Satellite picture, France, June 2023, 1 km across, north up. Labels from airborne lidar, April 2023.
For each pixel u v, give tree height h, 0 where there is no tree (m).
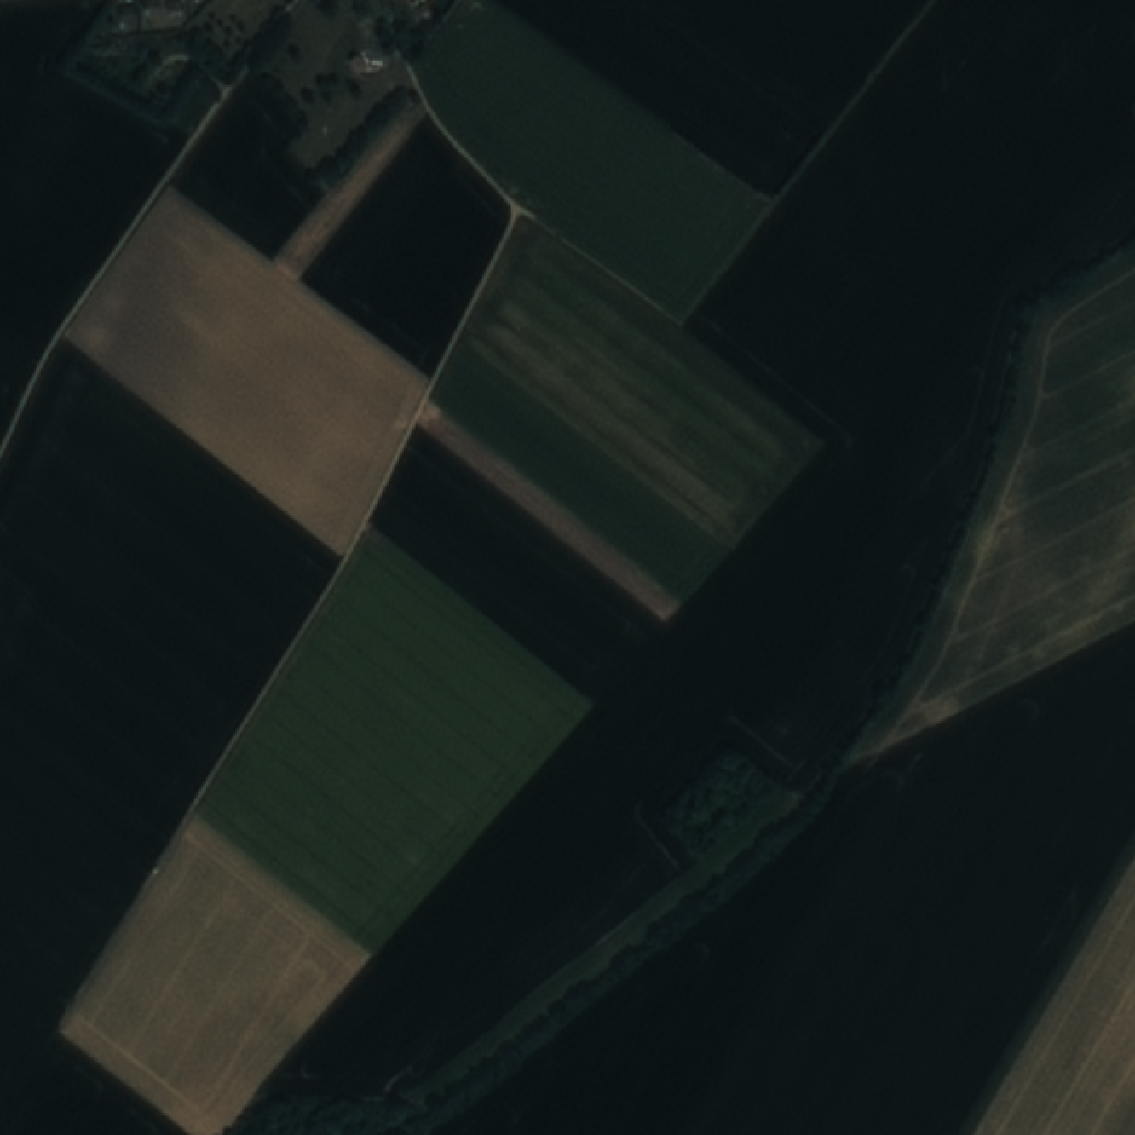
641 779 0
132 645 0
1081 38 0
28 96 0
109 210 0
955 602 0
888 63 0
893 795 0
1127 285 0
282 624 0
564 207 0
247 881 0
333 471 0
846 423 0
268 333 0
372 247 0
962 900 0
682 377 0
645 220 0
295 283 0
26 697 0
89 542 0
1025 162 0
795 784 0
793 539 0
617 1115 0
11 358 0
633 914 0
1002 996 0
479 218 0
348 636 0
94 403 0
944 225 0
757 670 0
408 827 0
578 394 0
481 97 0
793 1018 0
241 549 0
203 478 0
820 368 0
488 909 0
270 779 0
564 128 0
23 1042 0
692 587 0
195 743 0
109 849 0
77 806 0
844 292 0
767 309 0
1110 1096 0
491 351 0
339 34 0
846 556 0
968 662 0
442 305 0
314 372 0
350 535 0
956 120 0
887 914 0
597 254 0
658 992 0
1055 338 0
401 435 0
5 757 0
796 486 0
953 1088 0
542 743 0
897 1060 0
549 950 0
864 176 0
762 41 0
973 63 0
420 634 0
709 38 0
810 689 0
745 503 0
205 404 0
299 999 0
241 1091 0
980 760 0
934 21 0
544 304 0
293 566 0
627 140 0
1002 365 0
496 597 0
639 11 0
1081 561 0
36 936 0
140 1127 0
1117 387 0
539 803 0
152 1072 0
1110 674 0
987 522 0
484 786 0
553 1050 0
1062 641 0
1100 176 0
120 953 0
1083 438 0
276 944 0
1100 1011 0
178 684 0
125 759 0
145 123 0
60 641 0
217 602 0
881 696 15
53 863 0
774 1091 0
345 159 12
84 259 0
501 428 0
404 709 0
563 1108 0
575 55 0
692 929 0
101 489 0
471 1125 0
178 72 0
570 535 0
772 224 0
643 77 0
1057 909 0
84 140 0
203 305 0
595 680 0
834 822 0
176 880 0
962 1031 0
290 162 0
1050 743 0
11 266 0
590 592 0
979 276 0
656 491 0
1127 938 0
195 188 0
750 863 14
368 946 0
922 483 0
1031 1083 0
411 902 0
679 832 12
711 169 0
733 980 0
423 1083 0
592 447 0
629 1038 0
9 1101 0
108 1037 0
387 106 10
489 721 0
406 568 0
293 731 0
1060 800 0
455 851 0
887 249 0
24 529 0
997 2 0
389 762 0
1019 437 0
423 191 0
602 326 0
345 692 0
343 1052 0
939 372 0
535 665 0
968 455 0
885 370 0
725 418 0
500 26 0
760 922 0
